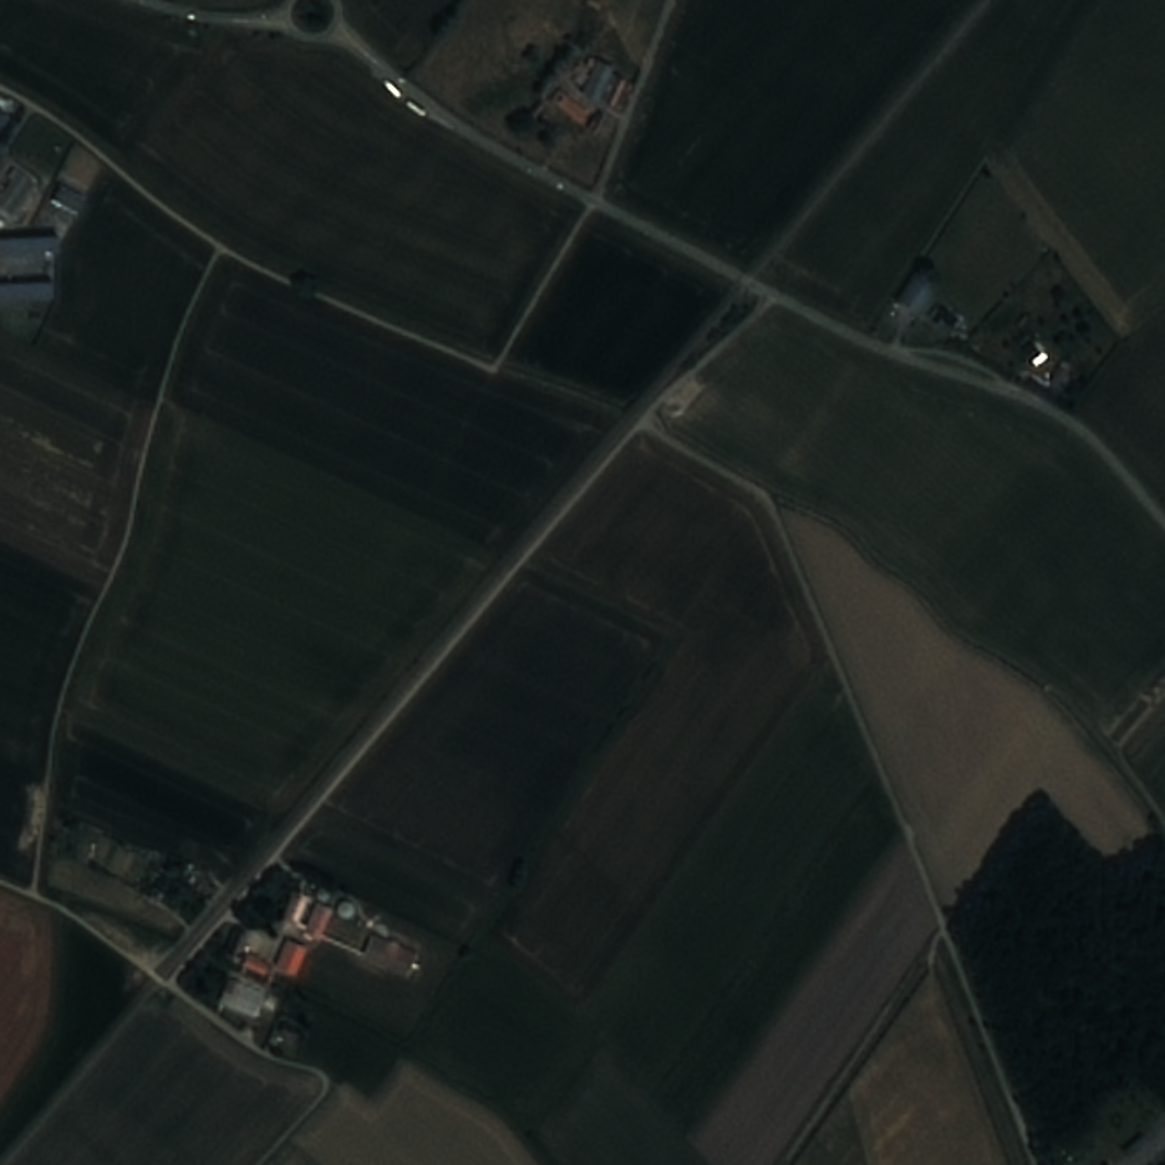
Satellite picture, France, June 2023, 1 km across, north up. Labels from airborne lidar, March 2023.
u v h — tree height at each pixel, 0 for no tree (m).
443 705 0
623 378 0
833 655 0
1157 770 0
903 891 0
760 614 0
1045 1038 17
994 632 0
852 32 0
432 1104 0
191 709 0
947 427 0
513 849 0
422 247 0
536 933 0
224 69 0
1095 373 0
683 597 0
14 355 0
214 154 0
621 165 0
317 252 0
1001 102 0
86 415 0
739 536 0
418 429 0
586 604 0
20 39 0
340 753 0
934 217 0
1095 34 0
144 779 0
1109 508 0
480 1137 0
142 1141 0
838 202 0
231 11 0
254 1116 0
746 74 0
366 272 0
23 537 0
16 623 0
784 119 0
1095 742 0
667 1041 0
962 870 0
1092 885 24
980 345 0
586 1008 0
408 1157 0
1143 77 0
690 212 0
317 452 0
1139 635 0
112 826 0
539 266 0
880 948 0
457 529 0
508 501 0
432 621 0
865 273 0
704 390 0
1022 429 0
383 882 0
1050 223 0
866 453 0
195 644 0
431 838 0
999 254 0
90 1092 0
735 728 0
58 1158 0
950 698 0
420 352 0
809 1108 0
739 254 0
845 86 0
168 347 0
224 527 0
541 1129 0
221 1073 0
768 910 0
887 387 0
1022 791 0
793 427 0
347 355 0
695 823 0
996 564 0
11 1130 0
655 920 0
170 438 0
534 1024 0
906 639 0
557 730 0
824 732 0
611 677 0
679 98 0
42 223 0
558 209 0
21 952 0
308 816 0
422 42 0
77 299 0
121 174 0
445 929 0
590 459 0
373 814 0
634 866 0
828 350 0
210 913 0
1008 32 0
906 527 0
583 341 0
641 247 0
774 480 0
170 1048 0
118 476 0
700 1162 0
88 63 0
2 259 0
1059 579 0
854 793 0
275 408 0
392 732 0
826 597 0
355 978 0
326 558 0
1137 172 0
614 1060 0
